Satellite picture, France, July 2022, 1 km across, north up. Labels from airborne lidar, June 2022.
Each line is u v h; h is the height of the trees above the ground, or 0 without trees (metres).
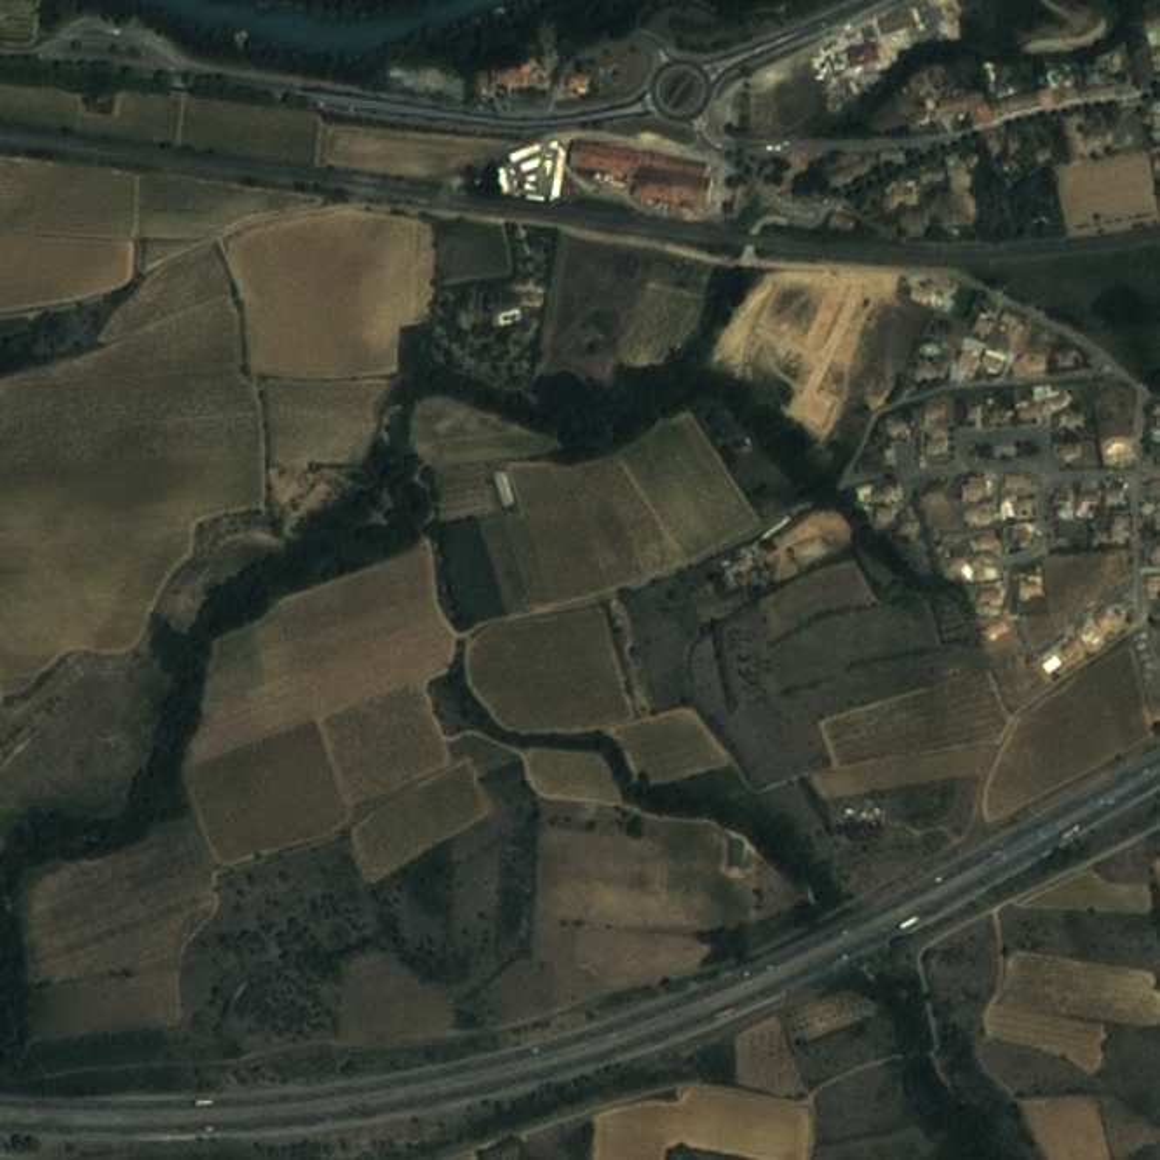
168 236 0
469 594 9
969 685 0
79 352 6
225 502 0
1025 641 0
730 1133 0
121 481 0
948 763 0
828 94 0
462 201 0
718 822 8
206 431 0
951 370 0
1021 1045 0
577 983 0
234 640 0
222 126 0
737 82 0
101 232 0
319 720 0
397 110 0
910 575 12
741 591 7
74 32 0
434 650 0
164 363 0
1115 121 9
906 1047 11
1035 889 0
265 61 11
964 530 0
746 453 0
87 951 0
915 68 19
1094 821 0
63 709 0
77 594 0
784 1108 0
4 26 0
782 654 0
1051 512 0
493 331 8
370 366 0
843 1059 0
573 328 0
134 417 0
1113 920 0
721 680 7
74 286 0
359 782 0
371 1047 0
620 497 0
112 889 0
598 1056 0
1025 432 0
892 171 13
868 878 0
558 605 0
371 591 0
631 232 0
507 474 0
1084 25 0
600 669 0
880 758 0
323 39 0
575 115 0
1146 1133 0
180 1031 0
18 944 8
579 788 0
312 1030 6
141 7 8
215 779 0
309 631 0
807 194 9
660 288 0
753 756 0
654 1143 0
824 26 0
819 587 0
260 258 0
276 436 0
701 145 0
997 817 0
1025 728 0
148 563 0
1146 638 0
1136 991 0
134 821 14
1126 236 0
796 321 0
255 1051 0
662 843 0
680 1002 0
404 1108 0
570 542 0
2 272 0
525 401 16
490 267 0
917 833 0
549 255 10
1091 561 0
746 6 18
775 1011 0
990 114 0
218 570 0
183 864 0
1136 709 0
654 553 0
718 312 11
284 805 0
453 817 0
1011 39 6
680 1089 0
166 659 9
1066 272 0
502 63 14
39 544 0
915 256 0
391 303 0
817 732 0
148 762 9
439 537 10
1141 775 0
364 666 0
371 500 9
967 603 7
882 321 0
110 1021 0
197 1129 0
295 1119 0
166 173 0
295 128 0
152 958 0
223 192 0
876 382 0
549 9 16
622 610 0
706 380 11
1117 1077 0
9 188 0
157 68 0
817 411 0
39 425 0
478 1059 0
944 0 0
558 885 0
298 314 0
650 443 0
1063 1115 0
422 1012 0
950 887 0
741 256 0
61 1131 0
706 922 0
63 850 10
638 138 0
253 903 0
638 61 0
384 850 0
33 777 0
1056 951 0
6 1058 23
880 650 0
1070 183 0
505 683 0
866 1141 0
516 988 0
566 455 12
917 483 0
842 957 0
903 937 9
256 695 0
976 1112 11
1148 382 6
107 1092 6
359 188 0
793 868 8
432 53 15
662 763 0
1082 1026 0
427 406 0
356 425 0
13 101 0
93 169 0
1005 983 0
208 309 0
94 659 0
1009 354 0
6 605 0
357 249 0
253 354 0
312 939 10
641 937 0
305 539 9
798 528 0
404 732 0
